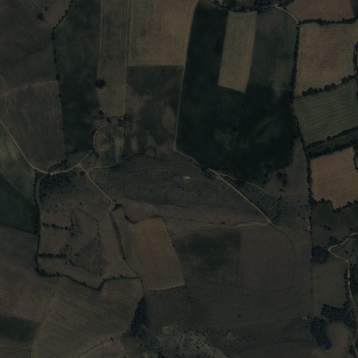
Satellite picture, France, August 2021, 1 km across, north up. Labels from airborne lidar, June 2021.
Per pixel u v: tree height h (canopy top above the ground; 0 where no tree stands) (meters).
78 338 0
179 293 0
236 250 0
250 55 0
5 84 0
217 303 0
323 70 0
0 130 0
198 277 0
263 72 0
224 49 0
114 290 0
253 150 0
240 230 0
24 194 0
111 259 0
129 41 0
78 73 0
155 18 0
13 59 0
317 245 0
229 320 0
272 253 0
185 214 0
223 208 0
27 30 0
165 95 0
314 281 0
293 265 0
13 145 0
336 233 0
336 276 0
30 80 0
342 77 0
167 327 0
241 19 0
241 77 0
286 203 0
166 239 0
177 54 0
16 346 0
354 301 0
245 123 0
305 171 0
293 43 0
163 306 0
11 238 0
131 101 0
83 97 0
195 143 0
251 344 0
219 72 0
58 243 0
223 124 0
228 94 0
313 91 13
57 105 0
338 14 0
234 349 0
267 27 0
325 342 10
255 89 0
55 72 0
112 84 0
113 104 0
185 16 0
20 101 0
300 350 0
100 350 0
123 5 0
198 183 0
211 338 0
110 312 0
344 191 0
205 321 0
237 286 0
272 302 0
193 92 0
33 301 0
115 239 0
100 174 0
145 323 12
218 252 0
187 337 0
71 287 0
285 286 0
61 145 0
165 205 0
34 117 0
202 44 0
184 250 0
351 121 0
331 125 0
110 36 0
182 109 0
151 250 0
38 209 7
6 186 0
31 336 0
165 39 0
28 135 0
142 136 0
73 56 0
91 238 0
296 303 0
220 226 0
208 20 0
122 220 0
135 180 0
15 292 0
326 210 0
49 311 0
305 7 0
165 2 0
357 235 6
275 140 0
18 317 0
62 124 0
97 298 0
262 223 0
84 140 0
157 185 0
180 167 0
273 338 0
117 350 0
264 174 0
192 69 0
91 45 0
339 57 0
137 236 0
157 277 0
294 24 0
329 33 0
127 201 0
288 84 0
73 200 0
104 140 0
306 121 0
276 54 0
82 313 0
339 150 11
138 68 0
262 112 0
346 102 0
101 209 0
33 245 0
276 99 0
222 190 0
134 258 0
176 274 0
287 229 0
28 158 0
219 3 13
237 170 0
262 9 7
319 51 0
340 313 13
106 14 0
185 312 0
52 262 0
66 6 0
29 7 0
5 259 0
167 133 0
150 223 0
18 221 0
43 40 0
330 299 0
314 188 0
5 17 0
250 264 0
